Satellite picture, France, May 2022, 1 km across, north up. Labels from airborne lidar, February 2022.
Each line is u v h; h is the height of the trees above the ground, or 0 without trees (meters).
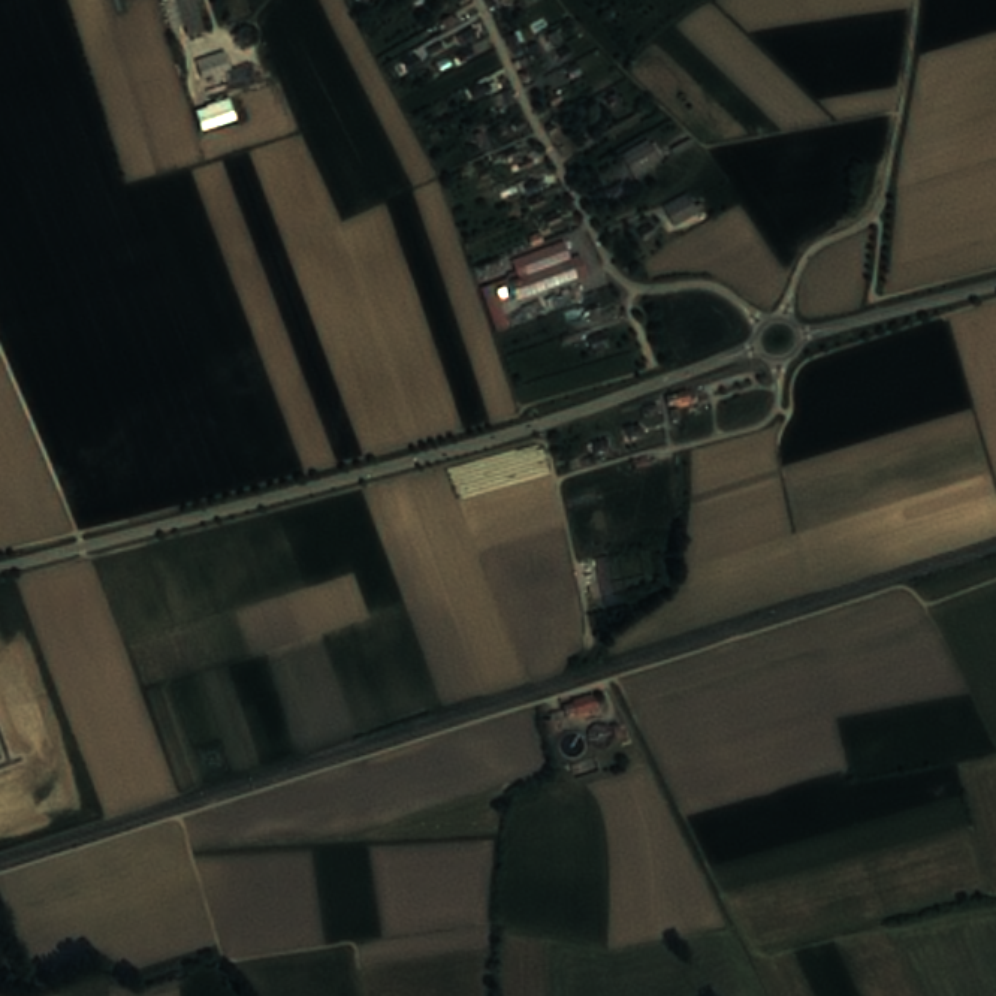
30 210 0
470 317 0
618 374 0
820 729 0
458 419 0
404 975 0
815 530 0
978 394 0
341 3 0
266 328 0
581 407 0
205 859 0
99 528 0
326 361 0
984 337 0
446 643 0
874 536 0
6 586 0
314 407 0
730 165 0
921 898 0
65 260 0
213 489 0
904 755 0
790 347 0
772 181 0
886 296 0
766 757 0
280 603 0
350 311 0
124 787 0
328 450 0
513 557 0
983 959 0
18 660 0
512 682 0
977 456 0
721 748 0
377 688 0
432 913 0
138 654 0
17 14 0
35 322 0
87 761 0
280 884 0
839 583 0
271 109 0
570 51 8
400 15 0
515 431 0
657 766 0
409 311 0
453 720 0
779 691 0
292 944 0
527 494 0
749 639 0
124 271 0
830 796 0
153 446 0
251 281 0
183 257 0
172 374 0
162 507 0
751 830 0
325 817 0
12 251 0
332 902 0
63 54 0
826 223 0
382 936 0
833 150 0
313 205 0
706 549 0
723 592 0
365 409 0
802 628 0
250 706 0
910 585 0
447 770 0
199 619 0
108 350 0
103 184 0
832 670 0
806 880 0
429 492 0
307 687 0
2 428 0
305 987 0
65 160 0
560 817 0
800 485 0
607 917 0
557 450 10
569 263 0
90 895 0
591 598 0
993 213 0
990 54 0
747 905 0
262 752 0
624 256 0
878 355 0
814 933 0
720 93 0
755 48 0
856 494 0
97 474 0
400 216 0
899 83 0
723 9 0
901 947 0
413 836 0
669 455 0
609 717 0
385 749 0
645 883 0
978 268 0
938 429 0
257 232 0
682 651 0
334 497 0
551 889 0
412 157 0
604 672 0
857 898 0
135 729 0
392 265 0
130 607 0
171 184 0
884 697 0
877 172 0
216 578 0
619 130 0
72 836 0
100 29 0
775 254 0
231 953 0
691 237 0
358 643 0
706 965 0
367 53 0
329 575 0
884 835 0
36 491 0
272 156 0
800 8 0
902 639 0
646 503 0
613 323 0
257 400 0
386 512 0
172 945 0
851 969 0
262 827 0
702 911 0
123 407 0
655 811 0
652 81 0
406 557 0
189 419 0
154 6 0
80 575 0
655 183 10
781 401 0
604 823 0
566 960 0
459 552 0
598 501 0
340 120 0
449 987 0
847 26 0
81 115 0
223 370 0
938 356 0
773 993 0
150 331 0
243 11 0
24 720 0
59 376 0
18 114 0
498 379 0
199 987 0
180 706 0
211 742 0
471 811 0
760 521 0
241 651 0
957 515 0
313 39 0
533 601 0
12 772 0
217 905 0
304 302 0
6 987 32
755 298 0
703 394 0
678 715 0
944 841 0
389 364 0
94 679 0
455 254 0
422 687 0
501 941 12
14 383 0
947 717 0
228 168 0
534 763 0
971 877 0
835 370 0
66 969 34
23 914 0
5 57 0
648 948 0
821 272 0
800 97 0
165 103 0
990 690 0
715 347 0
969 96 0
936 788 0
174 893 0
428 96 0
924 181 0
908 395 0
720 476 0
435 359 0
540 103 14
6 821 0
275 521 0
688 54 0
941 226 0
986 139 0
